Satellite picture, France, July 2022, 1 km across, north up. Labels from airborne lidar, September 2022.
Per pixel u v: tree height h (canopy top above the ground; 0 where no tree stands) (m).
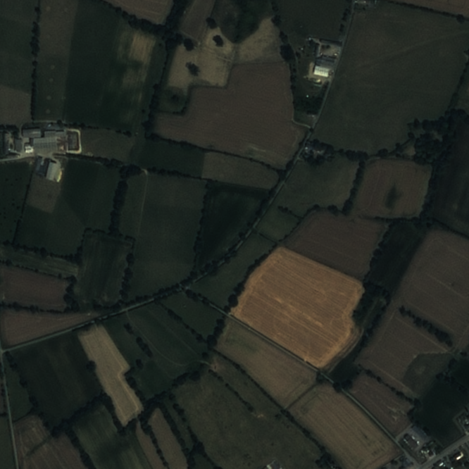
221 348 0
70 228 0
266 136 0
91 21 0
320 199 0
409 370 0
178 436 11
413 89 0
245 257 0
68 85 0
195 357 0
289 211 8
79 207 0
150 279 0
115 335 0
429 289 0
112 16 0
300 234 0
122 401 0
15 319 0
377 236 0
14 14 0
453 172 0
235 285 0
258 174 0
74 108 0
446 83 0
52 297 0
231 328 0
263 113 0
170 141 11
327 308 0
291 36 0
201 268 0
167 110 0
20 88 0
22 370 0
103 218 0
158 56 0
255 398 0
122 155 0
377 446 0
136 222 0
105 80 0
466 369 0
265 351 0
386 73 0
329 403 0
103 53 0
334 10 0
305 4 0
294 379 0
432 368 0
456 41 0
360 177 16
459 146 0
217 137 0
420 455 0
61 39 0
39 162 0
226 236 0
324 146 14
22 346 0
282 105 0
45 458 0
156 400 14
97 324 14
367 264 0
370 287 20
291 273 0
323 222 0
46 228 0
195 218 0
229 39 0
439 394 0
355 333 0
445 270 0
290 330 0
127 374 7
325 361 0
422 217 10
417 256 0
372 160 0
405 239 0
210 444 0
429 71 0
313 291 0
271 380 0
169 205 0
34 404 20
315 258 0
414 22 0
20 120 0
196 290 0
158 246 0
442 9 0
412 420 11
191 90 0
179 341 0
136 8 0
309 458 0
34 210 0
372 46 0
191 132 0
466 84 0
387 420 0
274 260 0
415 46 0
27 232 0
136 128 0
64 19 0
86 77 0
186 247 0
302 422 0
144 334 0
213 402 0
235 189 0
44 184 0
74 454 0
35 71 8
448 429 0
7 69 0
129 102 0
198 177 8
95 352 0
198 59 0
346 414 0
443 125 24
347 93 0
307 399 0
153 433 7
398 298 0
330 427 0
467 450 0
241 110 0
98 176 0
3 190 0
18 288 0
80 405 0
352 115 0
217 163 0
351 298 0
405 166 0
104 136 0
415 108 0
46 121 0
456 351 0
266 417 0
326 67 0
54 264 0
